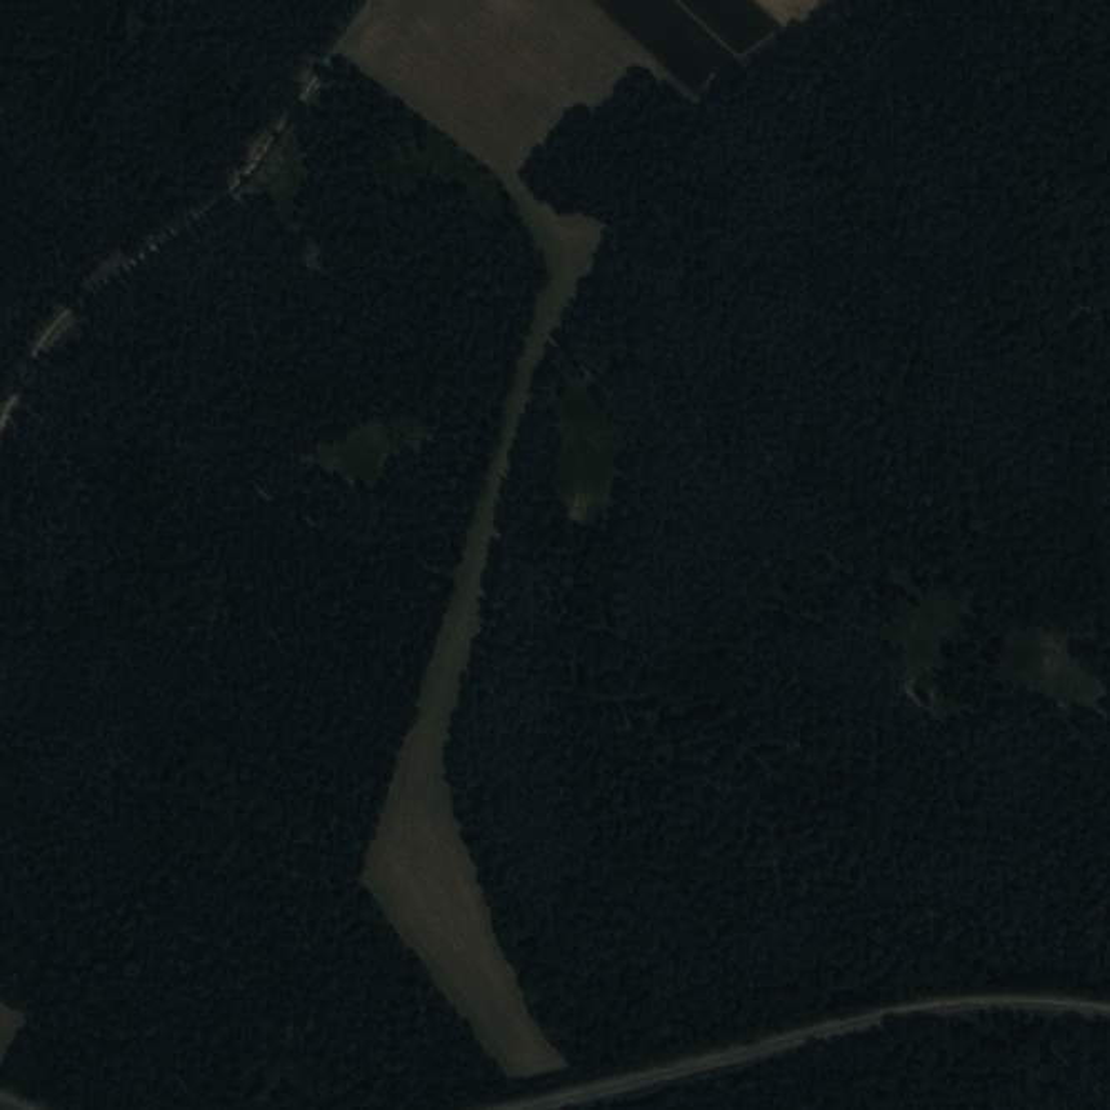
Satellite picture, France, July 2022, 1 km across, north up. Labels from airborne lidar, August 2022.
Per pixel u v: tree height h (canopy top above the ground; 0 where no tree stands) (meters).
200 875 18
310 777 22
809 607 9
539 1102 0
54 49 14
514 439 0
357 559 19
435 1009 16
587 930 24
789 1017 19
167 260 19
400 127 22
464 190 18
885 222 21
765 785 24
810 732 24
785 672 24
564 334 8
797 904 26
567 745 23
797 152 26
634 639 20
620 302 19
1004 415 30
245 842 18
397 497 21
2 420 0
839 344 23
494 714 29
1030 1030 21
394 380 20
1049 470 26
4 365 26
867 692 25
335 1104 15
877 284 23
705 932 24
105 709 19
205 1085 17
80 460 20
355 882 13
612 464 0
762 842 32
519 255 24
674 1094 20
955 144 25
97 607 16
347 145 19
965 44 20
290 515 22
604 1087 0
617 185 27
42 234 18
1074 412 23
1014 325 27
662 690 8
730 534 27
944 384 27
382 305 20
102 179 18
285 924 17
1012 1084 15
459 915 0
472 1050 19
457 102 0
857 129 19
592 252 0
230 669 16
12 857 21
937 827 23
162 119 20
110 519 24
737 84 27
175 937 19
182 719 17
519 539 25
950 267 20
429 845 0
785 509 32
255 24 20
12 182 18
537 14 0
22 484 23
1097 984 18
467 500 20
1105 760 23
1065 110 20
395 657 22
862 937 20
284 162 0
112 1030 15
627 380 29
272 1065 20
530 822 28
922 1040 25
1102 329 28
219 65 17
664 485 28
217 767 16
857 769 12
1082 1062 23
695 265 24
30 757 15
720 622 19
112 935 23
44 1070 16
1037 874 21
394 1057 20
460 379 21
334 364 14
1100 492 25
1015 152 21
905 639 0
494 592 27
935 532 25
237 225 23
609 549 22
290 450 15
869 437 26
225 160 20
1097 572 19
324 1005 19
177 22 24
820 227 26
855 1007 24
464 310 24
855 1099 22
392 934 22
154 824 15
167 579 12
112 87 23
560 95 0
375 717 21
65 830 14
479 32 0
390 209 25
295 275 19
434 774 0
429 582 15
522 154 0
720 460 24
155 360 22
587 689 18
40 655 19
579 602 7
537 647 20
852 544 23
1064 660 0
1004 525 25
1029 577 30
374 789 22
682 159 27
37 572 26
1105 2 25
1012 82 22
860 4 26
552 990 20
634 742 10
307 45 27
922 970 28
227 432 24
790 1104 20
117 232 18
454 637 0
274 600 21
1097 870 23
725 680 7
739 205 28
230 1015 19
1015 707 25
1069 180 25
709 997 26
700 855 21
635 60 0
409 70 0
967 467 26
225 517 20
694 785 26
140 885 16
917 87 21
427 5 0
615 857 23
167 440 13
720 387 22
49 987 15
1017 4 25
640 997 23
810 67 21
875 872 21
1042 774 25
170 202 26
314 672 14
